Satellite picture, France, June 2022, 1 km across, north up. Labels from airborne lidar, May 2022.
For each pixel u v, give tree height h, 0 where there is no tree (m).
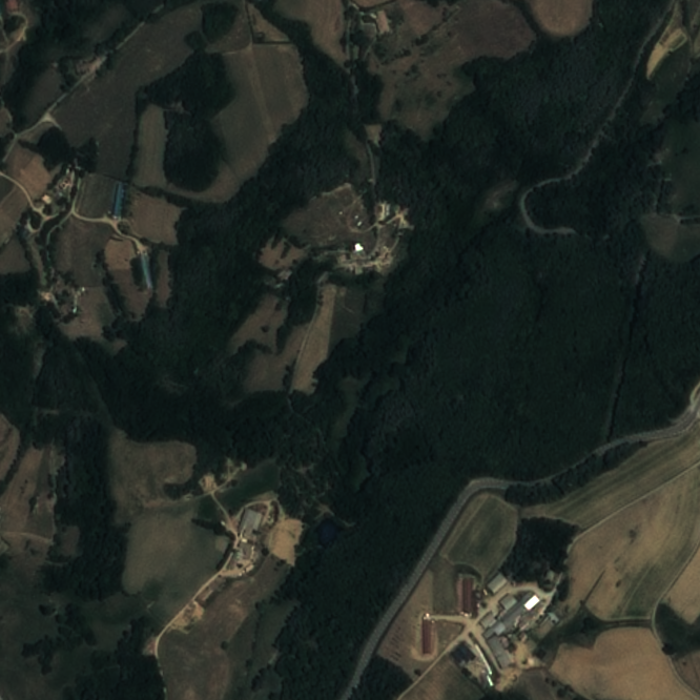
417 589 0
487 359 15
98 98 0
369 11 9
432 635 0
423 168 16
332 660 15
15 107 11
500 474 15
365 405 17
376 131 0
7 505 0
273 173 17
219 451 8
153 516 0
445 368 14
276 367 0
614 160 17
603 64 17
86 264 0
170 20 0
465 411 17
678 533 0
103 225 0
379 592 15
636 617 0
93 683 15
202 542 0
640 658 0
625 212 12
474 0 0
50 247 9
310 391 0
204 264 16
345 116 17
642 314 21
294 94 0
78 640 14
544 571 8
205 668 0
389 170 7
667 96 0
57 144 17
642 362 16
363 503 15
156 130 0
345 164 18
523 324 18
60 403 11
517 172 14
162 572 0
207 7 10
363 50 12
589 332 14
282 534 0
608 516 0
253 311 11
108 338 22
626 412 16
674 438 0
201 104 15
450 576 0
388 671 13
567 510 0
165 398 13
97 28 0
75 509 10
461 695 0
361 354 23
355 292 0
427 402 17
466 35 0
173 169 14
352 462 17
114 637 0
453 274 18
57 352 21
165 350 15
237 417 13
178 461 0
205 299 17
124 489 0
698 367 17
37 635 0
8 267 0
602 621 0
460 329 19
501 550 0
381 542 15
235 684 0
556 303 17
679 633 0
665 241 0
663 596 0
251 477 0
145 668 15
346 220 0
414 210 11
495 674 0
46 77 0
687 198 0
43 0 10
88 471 19
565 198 20
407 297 19
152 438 14
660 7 14
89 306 0
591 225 8
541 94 19
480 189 14
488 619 0
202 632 0
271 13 12
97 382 8
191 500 0
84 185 0
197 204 10
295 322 16
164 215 0
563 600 15
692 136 0
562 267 14
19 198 0
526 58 9
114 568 16
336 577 18
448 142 15
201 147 16
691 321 24
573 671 0
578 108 19
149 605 0
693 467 0
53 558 11
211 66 14
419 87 0
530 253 18
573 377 12
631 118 11
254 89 0
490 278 17
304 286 9
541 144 16
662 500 0
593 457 9
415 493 20
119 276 0
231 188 0
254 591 0
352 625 15
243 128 0
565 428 17
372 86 8
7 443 0
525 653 0
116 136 0
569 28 0
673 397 20
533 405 18
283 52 0
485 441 19
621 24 14
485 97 12
